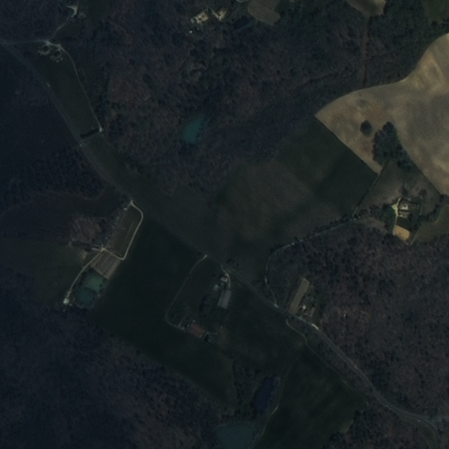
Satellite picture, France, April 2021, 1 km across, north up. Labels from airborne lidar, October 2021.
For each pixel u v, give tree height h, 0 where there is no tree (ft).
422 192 0
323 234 51
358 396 0
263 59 44
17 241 0
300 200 0
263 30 64
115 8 30
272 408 41
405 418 0
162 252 0
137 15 39
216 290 0
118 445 67
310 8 0
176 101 45
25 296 44
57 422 53
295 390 0
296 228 0
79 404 38
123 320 0
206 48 69
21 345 41
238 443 0
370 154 0
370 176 0
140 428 52
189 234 0
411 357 37
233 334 0
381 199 0
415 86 0
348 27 63
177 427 52
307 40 63
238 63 49
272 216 0
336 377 0
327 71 49
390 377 40
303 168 0
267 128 36
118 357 29
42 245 0
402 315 35
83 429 61
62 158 52
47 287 0
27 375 43
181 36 52
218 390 0
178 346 0
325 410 0
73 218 23
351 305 20
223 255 0
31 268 0
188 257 0
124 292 0
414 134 0
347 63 49
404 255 59
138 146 41
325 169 0
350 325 25
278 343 0
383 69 38
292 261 34
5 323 69
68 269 0
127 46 33
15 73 26
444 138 0
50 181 53
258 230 0
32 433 64
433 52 0
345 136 0
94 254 0
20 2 22
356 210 0
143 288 0
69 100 0
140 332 0
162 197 0
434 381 39
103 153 0
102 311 0
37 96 42
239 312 0
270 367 0
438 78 0
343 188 0
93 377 25
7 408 57
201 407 43
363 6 0
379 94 0
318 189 0
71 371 69
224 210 0
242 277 0
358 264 39
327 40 48
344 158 0
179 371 0
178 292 0
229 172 39
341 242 41
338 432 0
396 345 37
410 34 53
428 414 25
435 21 0
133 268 0
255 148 45
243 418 53
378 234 52
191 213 0
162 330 0
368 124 0
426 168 0
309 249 36
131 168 33
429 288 72
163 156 28
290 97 28
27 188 56
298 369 0
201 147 51
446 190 0
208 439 62
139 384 50
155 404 33
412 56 58
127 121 56
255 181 0
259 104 61
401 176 0
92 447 47
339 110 0
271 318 0
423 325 33
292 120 37
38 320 51
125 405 49
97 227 32
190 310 0
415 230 26
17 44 0
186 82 54
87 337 56
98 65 20
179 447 30
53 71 0
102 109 40
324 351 47
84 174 22
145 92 61
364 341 41
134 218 0
